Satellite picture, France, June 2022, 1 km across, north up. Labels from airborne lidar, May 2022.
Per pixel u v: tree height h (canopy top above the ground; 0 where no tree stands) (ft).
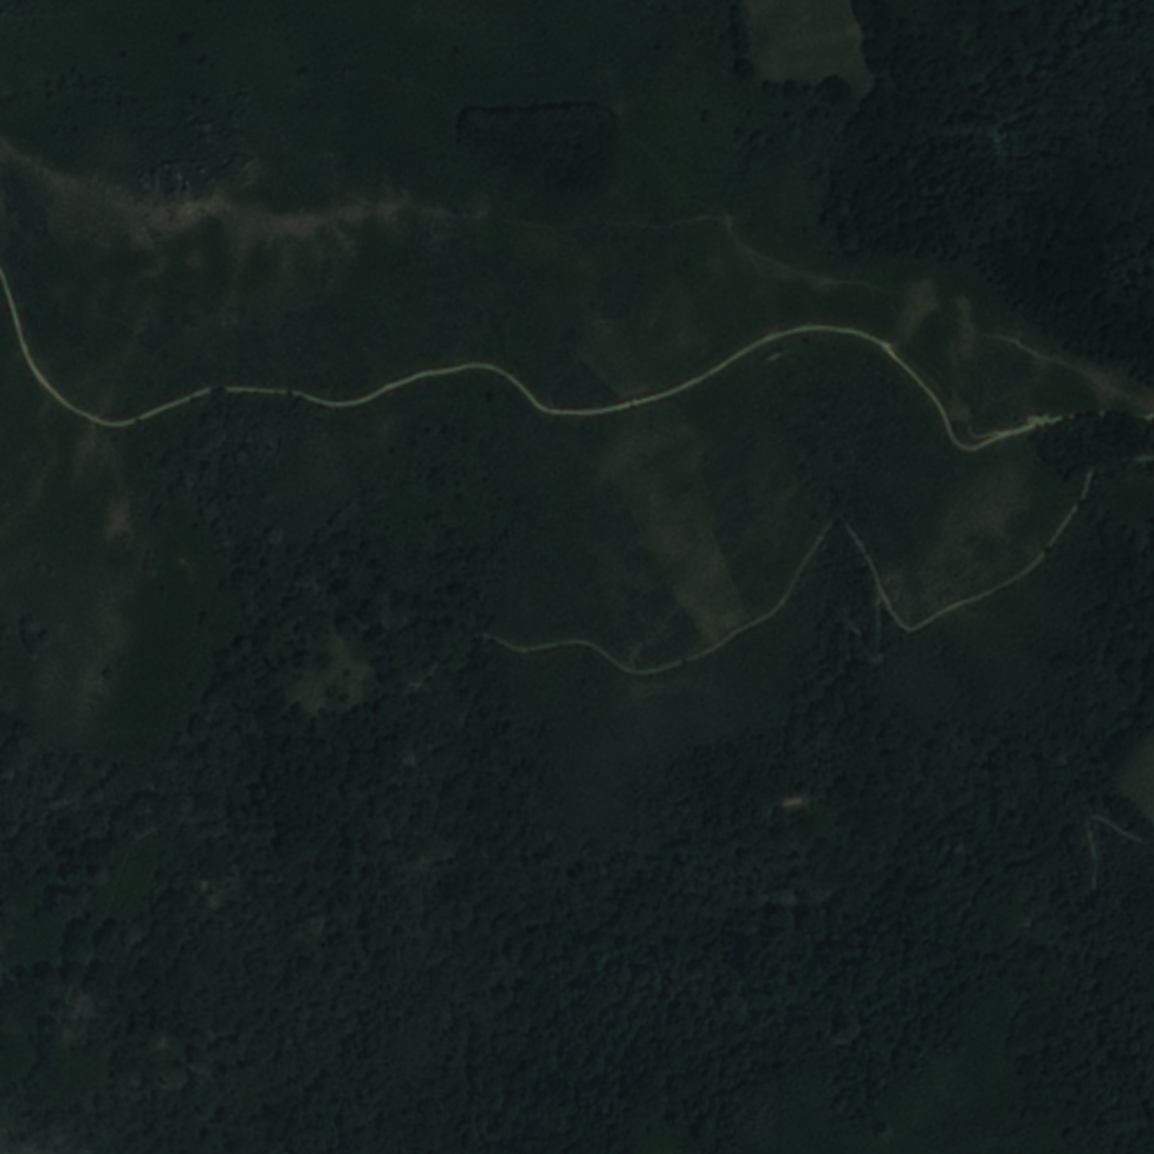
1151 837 52
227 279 0
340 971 41
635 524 0
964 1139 0
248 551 61
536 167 63
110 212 0
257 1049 53
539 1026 73
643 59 0
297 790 79
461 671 34
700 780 20
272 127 0
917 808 49
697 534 0
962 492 0
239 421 32
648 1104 49
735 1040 40
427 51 0
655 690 0
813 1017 41
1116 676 32
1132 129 39
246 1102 75
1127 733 60
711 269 0
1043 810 38
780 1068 51
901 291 0
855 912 76
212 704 53
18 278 0
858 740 54
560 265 0
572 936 27
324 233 0
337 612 30
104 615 0
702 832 86
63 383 0
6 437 0
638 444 0
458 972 49
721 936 36
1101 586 37
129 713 0
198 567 0
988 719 26
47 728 0
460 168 0
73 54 0
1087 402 0
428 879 25
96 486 0
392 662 51
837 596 38
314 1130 73
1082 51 45
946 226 38
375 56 0
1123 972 32
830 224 27
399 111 0
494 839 35
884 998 38
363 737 23
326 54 0
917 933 58
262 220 0
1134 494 0
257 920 36
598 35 0
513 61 0
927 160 44
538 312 0
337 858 54
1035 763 70
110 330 0
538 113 50
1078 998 56
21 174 0
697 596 0
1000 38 51
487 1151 78
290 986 60
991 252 35
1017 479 0
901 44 27
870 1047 53
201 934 43
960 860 51
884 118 53
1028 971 38
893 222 53
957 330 0
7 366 0
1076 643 24
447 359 0
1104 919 42
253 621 42
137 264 0
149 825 55
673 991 54
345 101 0
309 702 0
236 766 89
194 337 0
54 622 0
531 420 0
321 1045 67
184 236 0
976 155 76
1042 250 63
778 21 0
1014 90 69
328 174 0
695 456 0
